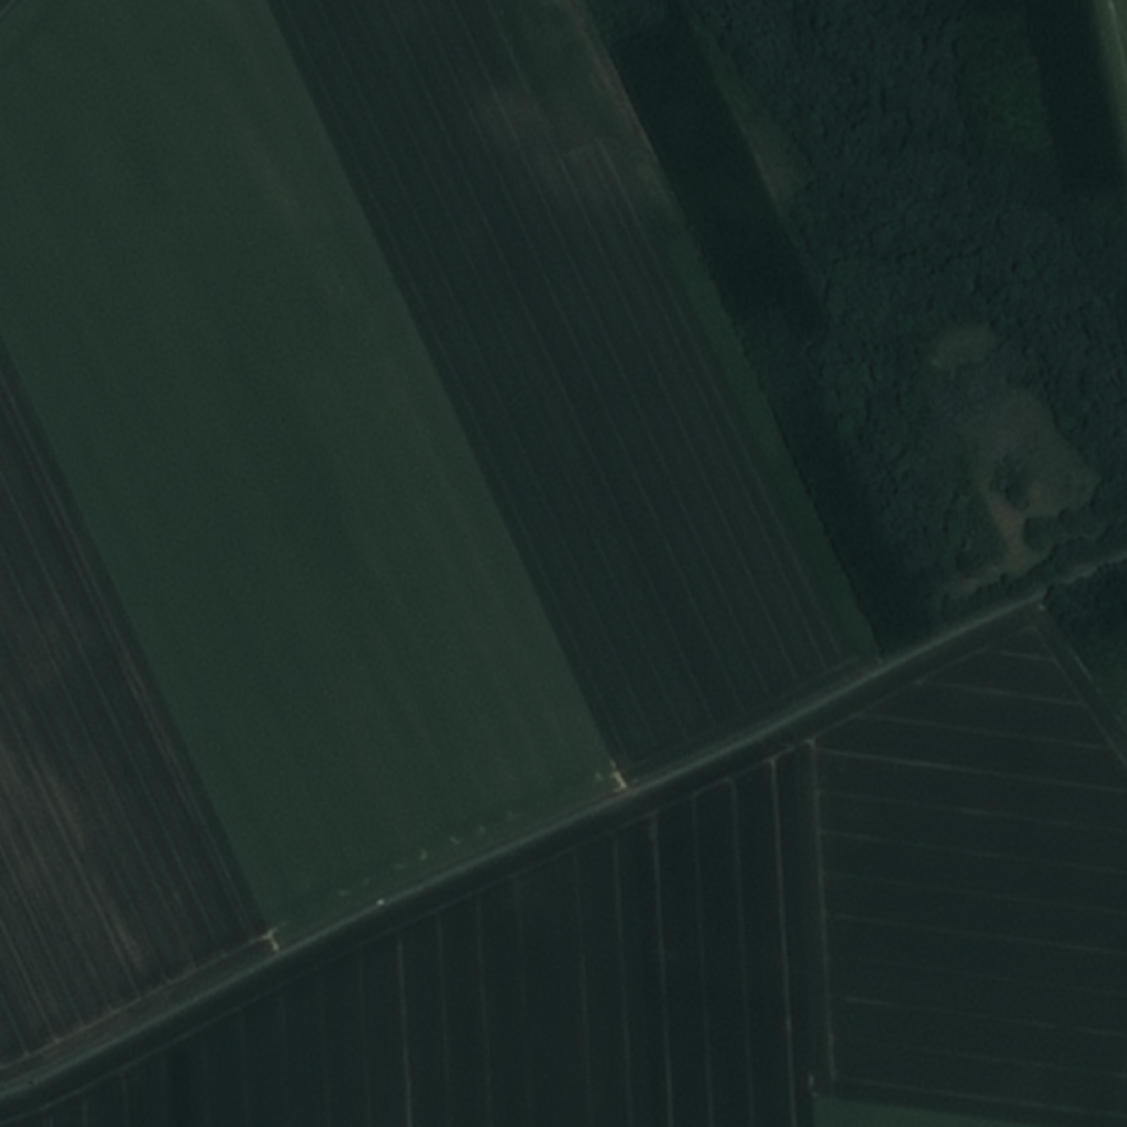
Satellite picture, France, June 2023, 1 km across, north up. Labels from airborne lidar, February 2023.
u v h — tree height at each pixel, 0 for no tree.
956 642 0
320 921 0
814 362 7
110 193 0
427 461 0
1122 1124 0
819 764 0
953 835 0
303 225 0
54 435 0
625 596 0
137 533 0
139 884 0
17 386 0
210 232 0
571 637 0
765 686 0
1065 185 12
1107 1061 0
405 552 0
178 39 0
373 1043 0
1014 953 0
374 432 0
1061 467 0
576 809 0
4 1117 0
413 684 0
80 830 0
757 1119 0
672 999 0
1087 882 0
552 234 0
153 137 0
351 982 0
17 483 0
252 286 0
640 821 0
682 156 11
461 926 0
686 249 0
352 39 0
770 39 20
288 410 0
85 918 0
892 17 17
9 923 0
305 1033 0
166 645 0
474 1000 0
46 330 0
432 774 0
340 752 0
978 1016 0
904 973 0
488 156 0
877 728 0
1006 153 11
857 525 19
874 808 0
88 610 0
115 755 0
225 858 0
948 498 18
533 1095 0
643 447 0
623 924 0
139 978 0
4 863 0
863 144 19
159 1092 0
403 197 0
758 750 0
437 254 0
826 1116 0
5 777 0
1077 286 21
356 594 0
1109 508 17
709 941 0
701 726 0
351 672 0
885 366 7
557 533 0
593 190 0
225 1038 0
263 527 0
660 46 11
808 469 14
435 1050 0
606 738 0
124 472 0
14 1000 0
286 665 0
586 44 0
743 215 10
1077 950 0
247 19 0
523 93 0
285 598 0
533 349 0
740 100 0
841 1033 0
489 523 0
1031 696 0
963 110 12
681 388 0
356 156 0
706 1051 0
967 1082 0
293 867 0
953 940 0
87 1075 0
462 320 0
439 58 0
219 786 0
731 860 0
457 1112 0
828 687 0
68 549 0
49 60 0
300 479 0
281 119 0
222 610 0
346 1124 0
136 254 0
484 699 0
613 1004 0
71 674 0
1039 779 0
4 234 0
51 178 0
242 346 0
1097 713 0
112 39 0
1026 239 18
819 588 0
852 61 22
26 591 0
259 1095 0
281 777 0
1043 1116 0
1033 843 0
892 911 0
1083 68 14
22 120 0
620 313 0
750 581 0
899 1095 0
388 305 0
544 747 0
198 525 0
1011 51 11
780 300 11
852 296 19
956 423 6
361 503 0
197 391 0
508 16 0
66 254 0
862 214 11
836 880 0
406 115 0
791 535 0
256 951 0
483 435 0
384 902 0
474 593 0
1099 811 0
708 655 0
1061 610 12
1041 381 12
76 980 0
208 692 0
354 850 0
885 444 25
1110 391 20
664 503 0
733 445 0
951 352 0
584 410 0
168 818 0
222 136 0
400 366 0
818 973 0
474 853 0
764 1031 0
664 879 0
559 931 0
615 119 0
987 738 0
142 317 0
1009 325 21
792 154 0
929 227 16
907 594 17
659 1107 0
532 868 0
